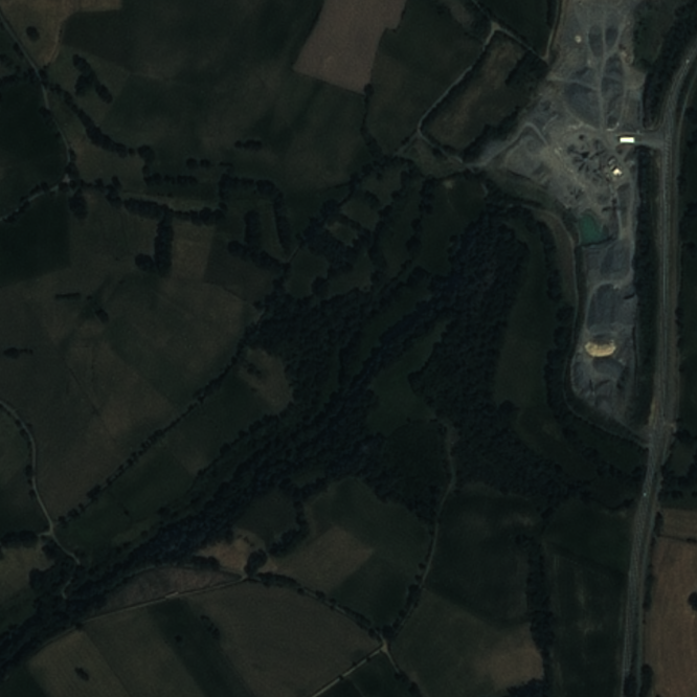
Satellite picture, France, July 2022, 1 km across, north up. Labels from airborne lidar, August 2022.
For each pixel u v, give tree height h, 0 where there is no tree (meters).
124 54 0
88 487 0
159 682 0
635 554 0
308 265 0
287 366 11
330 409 20
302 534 6
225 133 0
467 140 0
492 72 0
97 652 0
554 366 19
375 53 0
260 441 18
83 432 0
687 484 18
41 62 0
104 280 0
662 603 0
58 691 0
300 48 0
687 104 0
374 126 0
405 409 0
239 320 0
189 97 0
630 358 0
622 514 0
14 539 19
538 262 0
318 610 0
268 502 0
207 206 0
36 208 0
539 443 0
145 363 0
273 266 20
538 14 0
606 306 0
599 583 0
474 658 0
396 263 0
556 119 0
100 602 26
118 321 0
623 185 0
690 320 0
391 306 22
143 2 0
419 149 0
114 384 0
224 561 0
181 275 0
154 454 0
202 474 15
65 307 0
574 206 0
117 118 0
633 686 15
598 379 0
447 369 7
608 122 0
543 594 13
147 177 6
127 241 0
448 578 0
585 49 0
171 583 0
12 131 0
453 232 0
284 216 23
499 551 0
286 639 0
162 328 0
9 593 0
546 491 7
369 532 0
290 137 0
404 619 15
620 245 0
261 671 0
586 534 0
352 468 21
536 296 0
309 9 0
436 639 0
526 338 0
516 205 9
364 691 0
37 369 0
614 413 0
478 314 5
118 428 0
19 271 0
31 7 0
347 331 22
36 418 0
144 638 0
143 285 0
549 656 23
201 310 0
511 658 0
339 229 0
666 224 0
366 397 16
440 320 16
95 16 0
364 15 0
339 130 0
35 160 0
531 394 0
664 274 0
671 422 0
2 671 9
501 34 6
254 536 0
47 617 20
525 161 0
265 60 0
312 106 0
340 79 0
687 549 0
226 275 0
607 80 0
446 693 0
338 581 0
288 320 17
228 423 0
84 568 12
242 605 0
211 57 0
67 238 0
